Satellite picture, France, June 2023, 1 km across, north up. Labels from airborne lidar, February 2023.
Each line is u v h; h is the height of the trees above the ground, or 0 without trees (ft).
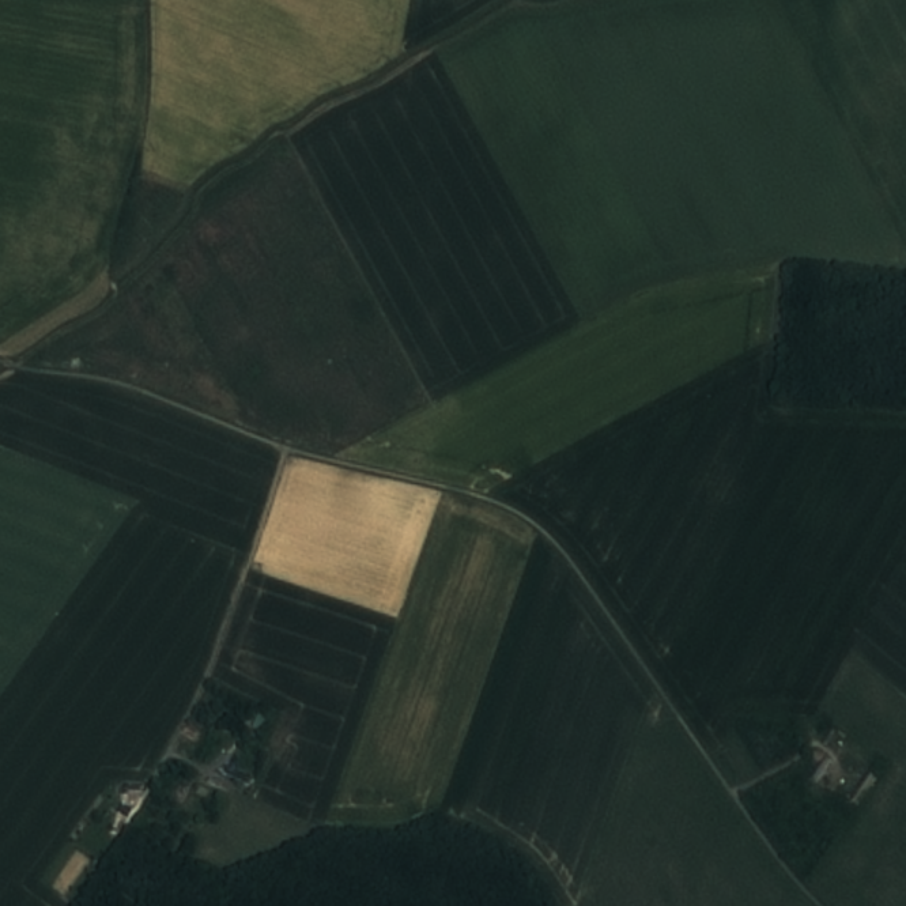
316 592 0
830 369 55
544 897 59
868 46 0
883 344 66
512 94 0
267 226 0
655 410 0
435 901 86
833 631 0
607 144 0
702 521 0
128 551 0
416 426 0
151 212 0
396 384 0
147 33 0
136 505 0
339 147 0
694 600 0
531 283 0
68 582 0
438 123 0
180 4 0
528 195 0
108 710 0
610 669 0
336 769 0
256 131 0
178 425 0
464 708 0
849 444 0
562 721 0
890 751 0
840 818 0
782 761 25
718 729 0
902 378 57
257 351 0
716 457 0
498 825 0
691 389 0
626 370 0
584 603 0
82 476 0
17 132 0
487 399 0
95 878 53
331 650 0
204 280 0
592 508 0
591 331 0
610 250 0
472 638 0
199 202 0
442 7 0
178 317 0
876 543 0
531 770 0
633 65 0
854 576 0
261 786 0
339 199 0
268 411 0
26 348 0
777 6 0
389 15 0
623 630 0
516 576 0
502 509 0
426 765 0
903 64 0
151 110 0
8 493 0
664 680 0
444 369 0
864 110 0
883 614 0
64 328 0
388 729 0
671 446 0
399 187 0
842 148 0
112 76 0
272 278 0
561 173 0
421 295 0
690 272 0
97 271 0
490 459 0
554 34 0
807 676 0
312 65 0
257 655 0
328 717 0
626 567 0
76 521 0
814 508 0
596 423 0
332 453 0
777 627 0
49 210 0
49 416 0
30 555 0
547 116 0
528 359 0
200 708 29
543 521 0
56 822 0
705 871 0
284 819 0
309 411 0
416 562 0
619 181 0
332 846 57
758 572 0
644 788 0
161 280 0
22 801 0
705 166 0
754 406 0
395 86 0
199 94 0
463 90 0
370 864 67
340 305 0
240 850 0
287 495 0
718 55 0
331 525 0
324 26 0
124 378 0
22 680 0
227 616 0
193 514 0
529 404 0
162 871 68
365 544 0
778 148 0
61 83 0
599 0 0
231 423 0
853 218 0
